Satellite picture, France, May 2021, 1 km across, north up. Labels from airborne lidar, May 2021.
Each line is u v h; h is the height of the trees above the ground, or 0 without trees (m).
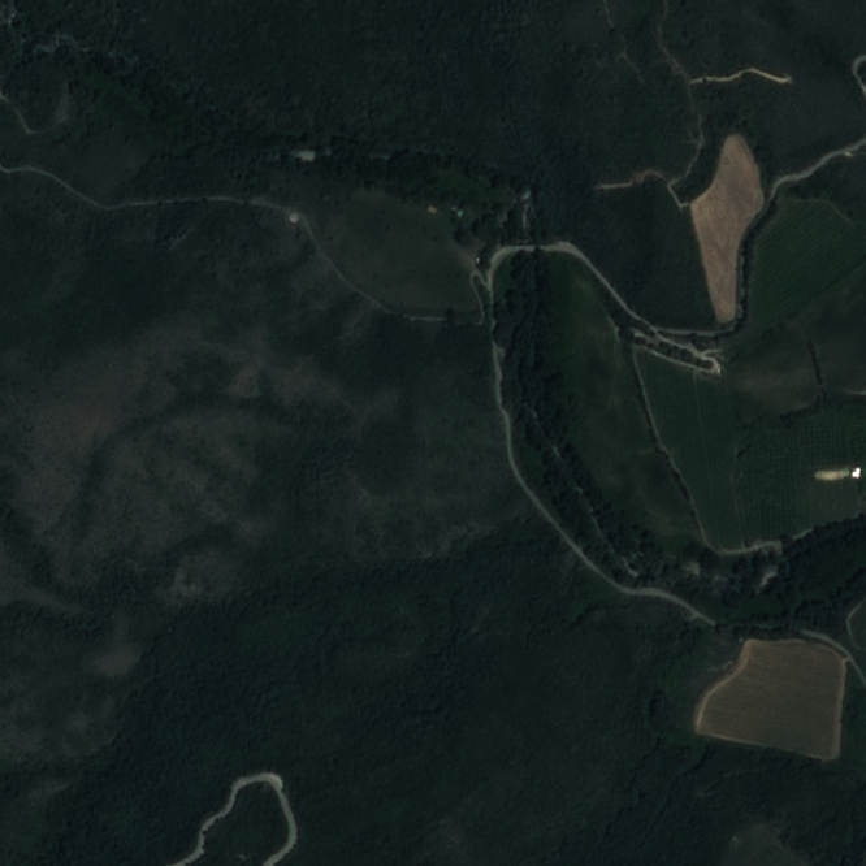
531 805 7
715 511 0
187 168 11
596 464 0
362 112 10
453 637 6
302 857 9
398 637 6
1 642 6
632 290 6
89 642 7
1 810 8
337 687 12
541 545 6
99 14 9
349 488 0
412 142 13
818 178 7
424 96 12
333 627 9
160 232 6
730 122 9
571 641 5
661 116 6
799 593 10
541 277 26
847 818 10
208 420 0
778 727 0
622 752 6
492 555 6
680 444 0
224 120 25
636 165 6
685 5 10
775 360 0
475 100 7
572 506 27
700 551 9
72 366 0
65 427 0
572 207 6
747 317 13
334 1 8
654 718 16
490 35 6
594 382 0
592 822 15
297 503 6
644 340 9
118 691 6
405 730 8
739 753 7
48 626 13
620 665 7
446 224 0
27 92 9
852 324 0
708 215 0
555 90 7
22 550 8
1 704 6
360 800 7
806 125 0
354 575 11
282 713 6
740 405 0
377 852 12
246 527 0
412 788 6
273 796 7
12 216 6
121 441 0
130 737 17
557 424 26
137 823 7
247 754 8
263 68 9
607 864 9
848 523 14
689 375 0
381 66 11
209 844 7
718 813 7
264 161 7
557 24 8
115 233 5
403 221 0
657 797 10
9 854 11
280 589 18
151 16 7
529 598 8
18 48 20
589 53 6
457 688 10
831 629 16
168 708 10
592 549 14
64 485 0
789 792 7
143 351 0
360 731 13
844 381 0
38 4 6
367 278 0
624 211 5
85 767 8
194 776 8
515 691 7
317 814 7
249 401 7
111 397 0
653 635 9
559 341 12
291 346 5
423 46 9
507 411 6
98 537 0
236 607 11
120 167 0
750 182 0
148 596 12
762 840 0
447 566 12
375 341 7
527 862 14
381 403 0
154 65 9
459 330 7
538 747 5
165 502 0
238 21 10
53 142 9
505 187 18
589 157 6
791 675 0
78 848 11
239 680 11
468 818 6
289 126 13
